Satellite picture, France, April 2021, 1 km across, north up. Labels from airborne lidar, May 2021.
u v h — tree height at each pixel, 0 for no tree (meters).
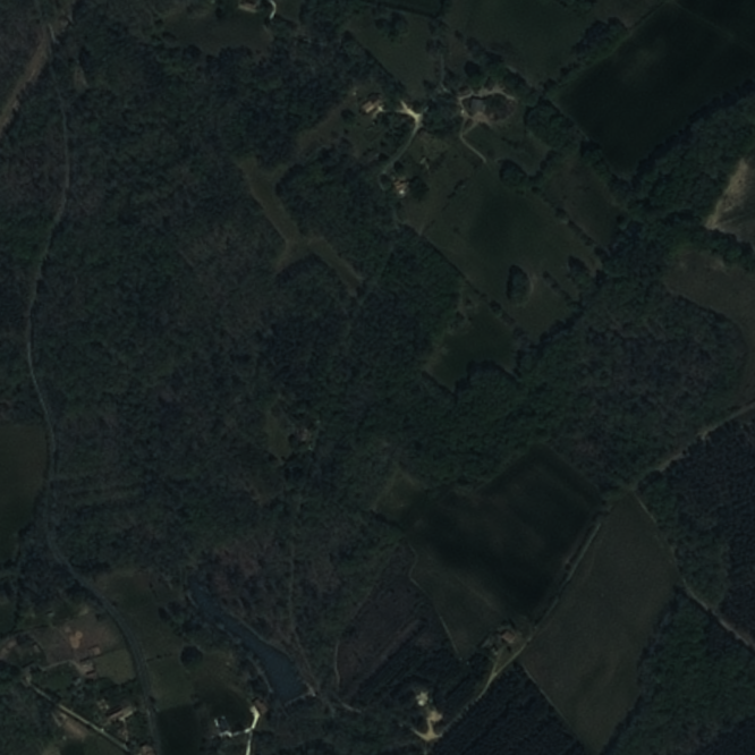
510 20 0
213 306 19
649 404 15
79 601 22
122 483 20
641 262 30
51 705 11
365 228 15
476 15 0
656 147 0
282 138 21
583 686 0
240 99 25
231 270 14
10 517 0
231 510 24
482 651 6
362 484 13
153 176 14
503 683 11
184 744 0
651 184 23
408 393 19
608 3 0
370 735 13
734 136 24
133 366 21
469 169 0
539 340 0
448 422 22
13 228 22
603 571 0
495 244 0
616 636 0
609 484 9
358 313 18
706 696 16
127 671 0
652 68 0
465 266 0
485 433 19
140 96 21
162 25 11
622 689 0
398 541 9
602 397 14
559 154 16
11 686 15
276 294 20
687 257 0
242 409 18
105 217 17
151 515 23
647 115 0
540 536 0
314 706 21
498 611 0
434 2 0
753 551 21
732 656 24
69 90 22
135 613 0
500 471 12
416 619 7
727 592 17
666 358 24
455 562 0
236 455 7
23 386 26
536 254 0
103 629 0
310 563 12
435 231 0
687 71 0
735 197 0
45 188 8
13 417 17
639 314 20
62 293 23
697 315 16
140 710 11
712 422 18
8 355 14
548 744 12
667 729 14
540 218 0
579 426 15
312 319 22
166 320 22
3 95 19
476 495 0
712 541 15
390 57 0
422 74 0
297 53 13
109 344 23
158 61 18
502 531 0
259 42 0
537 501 0
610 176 17
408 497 0
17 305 19
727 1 0
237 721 0
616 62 0
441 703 16
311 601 9
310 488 15
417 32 0
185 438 20
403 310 27
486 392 25
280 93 18
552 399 21
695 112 0
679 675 24
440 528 0
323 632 15
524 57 0
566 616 0
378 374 13
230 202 17
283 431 17
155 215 18
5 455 0
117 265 24
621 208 16
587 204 0
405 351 26
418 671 10
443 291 18
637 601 0
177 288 17
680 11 0
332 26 21
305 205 19
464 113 0
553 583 0
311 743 14
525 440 17
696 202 21
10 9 17
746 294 0
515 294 20
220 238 9
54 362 21
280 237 14
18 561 8
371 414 16
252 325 17
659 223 23
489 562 0
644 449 7
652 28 0
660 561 0
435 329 20
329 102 23
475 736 14
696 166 25
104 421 13
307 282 23
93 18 21
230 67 22
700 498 18
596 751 0
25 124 16
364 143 0
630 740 22
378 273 16
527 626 0
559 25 0
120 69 22
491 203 0
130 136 17
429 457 23
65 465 14
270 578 17
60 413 19
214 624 7
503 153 0
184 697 0
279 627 15
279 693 0
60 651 0
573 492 0
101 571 22
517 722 16
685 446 10
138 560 24
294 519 15
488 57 17
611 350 22
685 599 21
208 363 15
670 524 17
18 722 14
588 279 21
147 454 15
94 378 25
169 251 20
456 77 12
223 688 0
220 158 19
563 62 0
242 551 10
